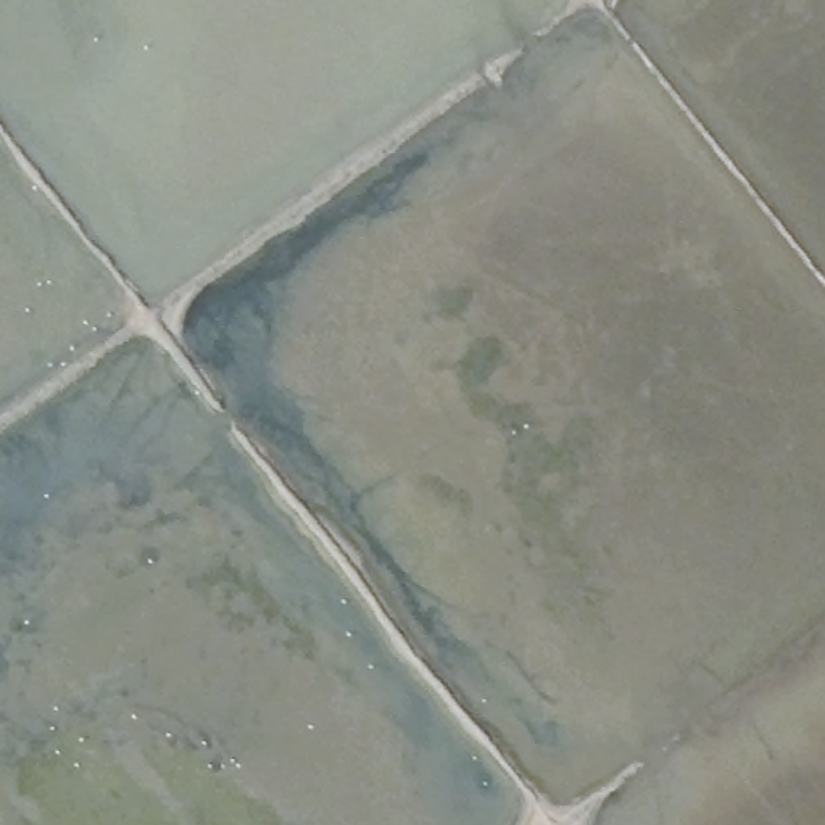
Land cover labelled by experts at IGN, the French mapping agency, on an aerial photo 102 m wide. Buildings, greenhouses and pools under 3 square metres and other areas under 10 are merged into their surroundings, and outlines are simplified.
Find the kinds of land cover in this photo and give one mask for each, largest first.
<instances>
[{"label":"water","instance_id":"1","mask_svg":"<svg viewBox=\"0 0 825 825\"><path fill-rule=\"evenodd\" d=\"M551 0H0V145L6 139L19 145L26 161L58 193V200L84 226L93 245L106 251V258L132 284L139 303L148 306L151 300L174 293L190 274H197L229 245H235L242 232L267 219L287 200L300 197L313 180H319L348 155L371 145L380 132L413 116L448 84L461 81L471 71H480L490 58H496L506 48L519 52V58L503 71L500 81H490L474 93L461 97L458 103H451L442 116L429 119L419 132H413L396 155L383 158L380 164L354 177L348 187H342L303 226L274 235L261 245V251H255L238 267L226 271L219 280L206 284L190 300L184 313L180 351L203 374L206 387L219 400V409H203L187 380L171 367L168 354L158 351L151 338L135 335L110 354H103L90 371H84L74 383L58 390L52 400H45L19 422L6 425L0 419V825H519L522 799L496 780V773L483 764L480 751L435 706L429 690L419 680H413L406 664L396 661V654L387 648L377 625L358 606L342 577L319 558L313 541L300 535L296 522L277 509L271 493L251 474L248 461L229 445V429L235 425H242V432L251 442H264L267 464L277 471L284 487L306 506V512L329 532V538L338 545L345 561L377 596L380 609L406 638V645L422 657V664L442 680V686L471 715V722L500 748V754L548 806H570L599 790L628 761L638 764V773L628 777L616 793H609L596 806L590 825H825V284H815L802 271L793 251L761 219V213L748 206L741 187L712 158L699 135L686 126V119L661 97V90L648 84L645 71L619 55V48L609 42L612 32L593 6H580L551 35L532 32V23L545 13ZM616 16L622 19V26L635 35V42L648 52L657 71L690 103L699 122L744 171L761 200L777 213V219L793 232V238L809 251L815 267L825 274V0H619ZM122 322H129V316L122 313L103 274L87 261L74 238L61 229V222L32 200V193L19 180V171L0 155V409L26 390H32L35 383H42L52 371H58V364L71 361V348H90L103 342Z\"/></svg>","mask_w":825,"mask_h":825},{"label":"pervious surface","instance_id":"2","mask_svg":"<svg viewBox=\"0 0 825 825\"><path fill-rule=\"evenodd\" d=\"M619 0H551L545 13L532 23V32L551 35L580 6H593L612 32L609 42L619 48V55L645 71L648 84L661 90V97L686 119V126L699 135L712 158L741 187L748 206L761 213V219L793 251L802 271L815 284H825V274L815 267L809 251L793 238V232L777 219V213L761 200L744 171L699 122L690 103L657 71L648 52L635 42V35L622 26V19L616 16ZM519 58V52L506 48L496 58H490L480 71H471L461 81L448 84L413 116L380 132L371 145L348 155L319 180H313L300 197L287 200L267 219L242 232L235 245H229L197 274H190L174 293L151 300L148 306L139 303L132 284L106 258V251L93 245L84 226L58 200V193L26 161L19 145L6 139L0 145V155L19 171V180L32 193V200L61 222V229L74 238L87 261L103 274L122 313L129 316V322H122L103 342L90 348H71V361L58 364V371H52L42 383H35L32 390H26L0 409V419L6 425L19 422L45 400H52L58 390L74 383L84 371H90L103 354H110L135 335L151 338L158 351L168 354L171 367L187 380L203 409H219V400L206 387L203 374L180 351L184 313L190 300L206 284L219 280L226 271L238 267L255 251H261V245L274 235L303 226L342 187H348L354 177L380 164L383 158L396 155L413 132H419L429 119L442 116L451 103H458L461 97L474 93L490 81H500L503 71ZM229 445L248 461L251 474L271 493L277 509L296 522L300 535L313 541L319 558L342 577L358 606L377 625L387 648L396 654V661L406 664L413 680H419L429 690L435 706L480 751L483 764L496 773V780L522 799L519 825H590L596 806L609 793H616L628 777L638 773V764L628 761L599 790L570 806H548L500 754V748L471 722V715L442 686V680L422 664V657L406 645V638L380 609L377 596L345 561L338 545L329 538V532L306 512V506L284 487L277 471L267 464L264 442H251L242 432V425H235L229 429Z\"/></svg>","mask_w":825,"mask_h":825}]
</instances>
